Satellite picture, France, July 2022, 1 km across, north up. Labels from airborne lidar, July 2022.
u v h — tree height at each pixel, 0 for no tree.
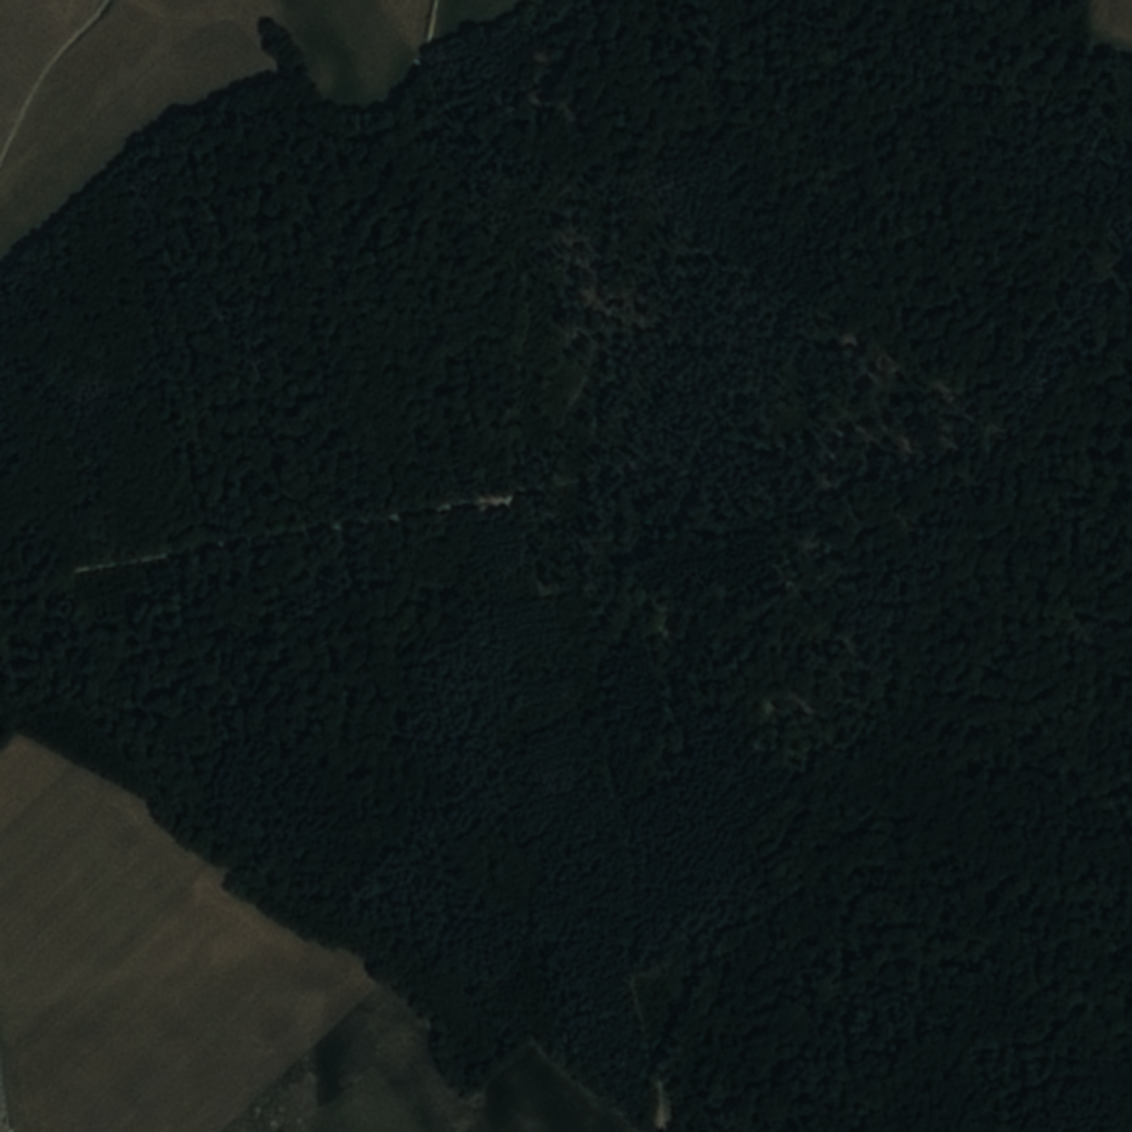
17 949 0
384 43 0
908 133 21
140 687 26
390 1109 0
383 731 27
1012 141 17
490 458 17
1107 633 26
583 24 24
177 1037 0
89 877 0
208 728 27
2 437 17
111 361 23
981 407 28
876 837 27
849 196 22
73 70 0
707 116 26
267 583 30
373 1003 0
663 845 25
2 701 26
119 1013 0
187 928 0
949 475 29
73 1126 0
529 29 18
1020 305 29
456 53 22
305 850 20
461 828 26
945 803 21
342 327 19
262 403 10
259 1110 0
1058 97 8
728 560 18
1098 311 27
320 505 21
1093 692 30
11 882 0
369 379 21
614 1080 16
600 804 19
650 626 24
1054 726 31
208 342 26
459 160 31
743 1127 32
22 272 26
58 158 0
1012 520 30
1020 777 29
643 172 19
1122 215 28
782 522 10
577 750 20
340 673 30
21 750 0
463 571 16
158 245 25
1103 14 0
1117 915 27
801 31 24
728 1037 16
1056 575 34
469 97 25
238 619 28
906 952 33
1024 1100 23
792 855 25
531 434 7
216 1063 0
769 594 21
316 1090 0
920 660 26
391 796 21
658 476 31
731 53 28
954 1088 22
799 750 26
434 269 21
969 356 29
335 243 26
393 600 29
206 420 29
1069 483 30
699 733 23
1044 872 24
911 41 20
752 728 24
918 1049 23
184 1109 0
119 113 0
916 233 29
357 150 31
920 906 30
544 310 8
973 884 29
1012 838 30
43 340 18
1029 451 28
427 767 23
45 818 0
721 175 20
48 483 23
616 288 28
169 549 13
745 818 23
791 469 31
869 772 25
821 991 30
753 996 22
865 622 24
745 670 30
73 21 0
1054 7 28
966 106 25
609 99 29
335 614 24
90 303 23
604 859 21
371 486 26
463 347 28
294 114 21
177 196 29
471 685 27
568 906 25
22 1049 0
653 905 21
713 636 11
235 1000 0
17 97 0
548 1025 9
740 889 25
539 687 16
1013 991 28
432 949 20
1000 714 31
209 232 33
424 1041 0
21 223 0
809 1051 30
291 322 24
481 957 27
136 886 0
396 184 30
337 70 0
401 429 20
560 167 24
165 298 22
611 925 24
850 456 29
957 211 29
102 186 16
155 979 0
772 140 18
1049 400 29
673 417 30
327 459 28
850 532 29
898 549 30
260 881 26
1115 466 33
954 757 24
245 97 27
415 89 17
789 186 14
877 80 27
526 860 17
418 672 23
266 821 18
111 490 22
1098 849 23
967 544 28
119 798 0
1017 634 29
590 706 9
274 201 28
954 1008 22
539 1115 0
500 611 18
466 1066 8
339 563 25
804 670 26
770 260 17
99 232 24
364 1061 0
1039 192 28
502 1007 7
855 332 27
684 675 21
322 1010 0
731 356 30
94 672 29
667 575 23
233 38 0
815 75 24
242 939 0
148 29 0
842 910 29
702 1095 15
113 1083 0
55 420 27
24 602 12
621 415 29
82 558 18
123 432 24
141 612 31
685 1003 8
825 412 30
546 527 6
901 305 27
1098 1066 27
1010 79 28
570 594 10
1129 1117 18
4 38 0
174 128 25
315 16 0
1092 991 25
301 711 27
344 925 13
